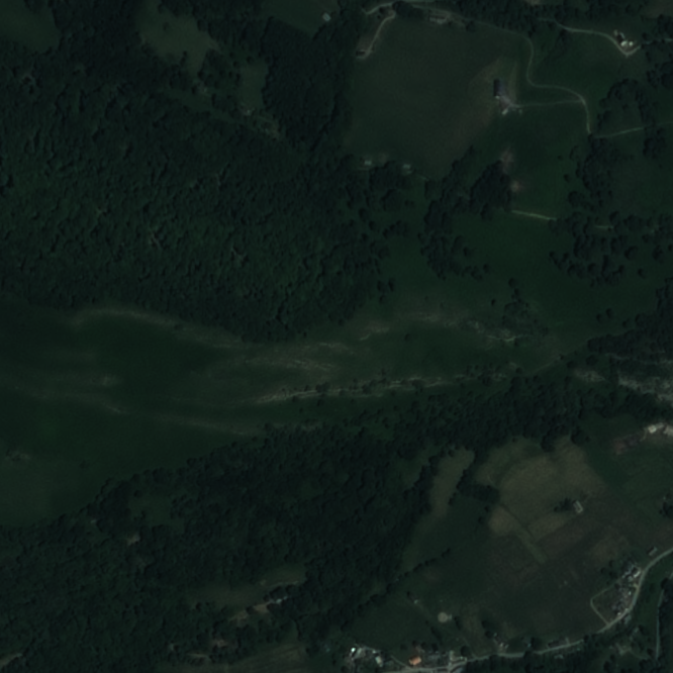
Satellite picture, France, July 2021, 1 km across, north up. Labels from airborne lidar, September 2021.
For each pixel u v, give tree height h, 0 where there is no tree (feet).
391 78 0
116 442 0
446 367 0
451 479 0
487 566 0
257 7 67
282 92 75
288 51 80
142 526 30
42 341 0
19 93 88
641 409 42
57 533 62
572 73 0
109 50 90
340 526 95
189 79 94
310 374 0
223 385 0
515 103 0
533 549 0
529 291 0
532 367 0
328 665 0
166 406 0
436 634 28
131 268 66
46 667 96
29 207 101
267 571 31
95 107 110
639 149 0
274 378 0
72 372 0
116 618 74
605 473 0
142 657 98
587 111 0
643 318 38
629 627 23
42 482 0
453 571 0
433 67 0
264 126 21
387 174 55
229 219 69
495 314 0
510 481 0
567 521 0
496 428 59
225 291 78
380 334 0
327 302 64
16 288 54
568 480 0
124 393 0
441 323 0
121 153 81
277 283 82
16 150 90
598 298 0
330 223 76
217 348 0
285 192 70
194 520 58
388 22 0
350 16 80
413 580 0
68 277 74
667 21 62
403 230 49
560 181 0
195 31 0
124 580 69
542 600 0
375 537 86
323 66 88
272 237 59
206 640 113
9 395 0
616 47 0
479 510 0
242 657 55
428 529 0
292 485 82
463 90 0
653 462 0
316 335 0
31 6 65
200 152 101
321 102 122
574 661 49
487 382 57
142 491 28
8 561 0
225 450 48
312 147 54
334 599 60
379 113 0
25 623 61
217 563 89
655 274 0
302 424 21
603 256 0
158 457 0
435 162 0
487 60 0
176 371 0
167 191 74
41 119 81
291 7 0
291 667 0
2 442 0
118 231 103
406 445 61
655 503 0
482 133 0
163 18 0
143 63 79
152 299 52
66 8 102
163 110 110
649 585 27
